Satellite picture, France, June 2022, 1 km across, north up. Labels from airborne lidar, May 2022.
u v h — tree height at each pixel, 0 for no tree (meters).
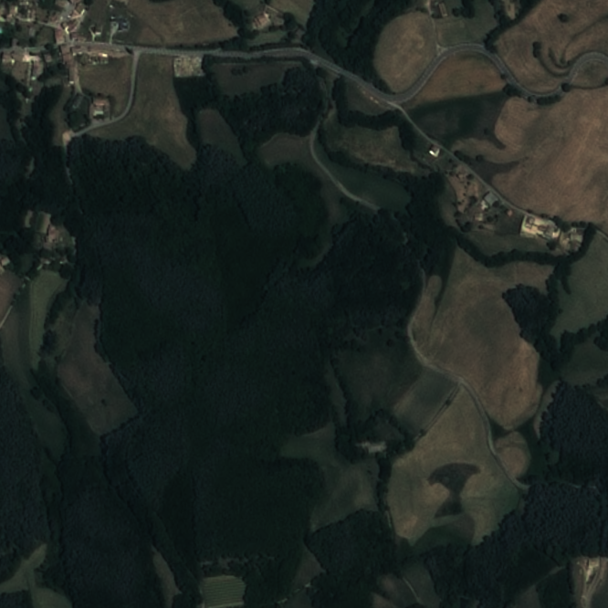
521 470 0
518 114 0
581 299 0
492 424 0
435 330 0
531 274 0
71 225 25
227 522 24
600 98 0
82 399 0
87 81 0
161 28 0
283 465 22
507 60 0
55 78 0
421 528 0
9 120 12
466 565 20
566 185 0
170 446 25
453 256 0
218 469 22
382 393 0
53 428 0
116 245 19
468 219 0
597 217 0
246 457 21
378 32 12
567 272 18
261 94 7
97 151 20
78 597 17
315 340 19
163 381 22
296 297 22
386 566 21
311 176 11
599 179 0
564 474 16
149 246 22
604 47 0
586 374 0
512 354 0
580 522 27
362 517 17
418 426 0
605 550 18
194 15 0
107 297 16
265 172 19
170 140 0
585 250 14
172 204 17
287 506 22
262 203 24
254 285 15
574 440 25
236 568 15
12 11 0
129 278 16
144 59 0
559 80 0
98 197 6
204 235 18
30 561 0
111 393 0
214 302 21
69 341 0
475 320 0
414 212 20
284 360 20
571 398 23
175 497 9
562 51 0
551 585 9
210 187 21
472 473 0
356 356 0
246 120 16
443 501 0
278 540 18
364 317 21
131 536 23
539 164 0
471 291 0
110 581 21
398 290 23
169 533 10
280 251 12
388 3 18
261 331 20
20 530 12
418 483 0
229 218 12
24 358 0
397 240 19
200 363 18
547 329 17
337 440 13
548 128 0
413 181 19
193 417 18
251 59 9
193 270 23
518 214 0
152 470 30
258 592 17
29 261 0
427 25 0
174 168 20
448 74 0
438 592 11
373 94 0
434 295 0
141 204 11
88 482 23
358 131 0
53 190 21
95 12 0
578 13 0
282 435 21
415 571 0
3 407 23
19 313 0
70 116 12
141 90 0
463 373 0
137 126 0
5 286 0
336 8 21
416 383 0
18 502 24
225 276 12
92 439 0
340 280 22
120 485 21
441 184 17
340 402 0
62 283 0
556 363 20
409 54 0
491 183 0
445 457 0
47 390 11
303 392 20
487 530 0
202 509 20
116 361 16
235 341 23
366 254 20
